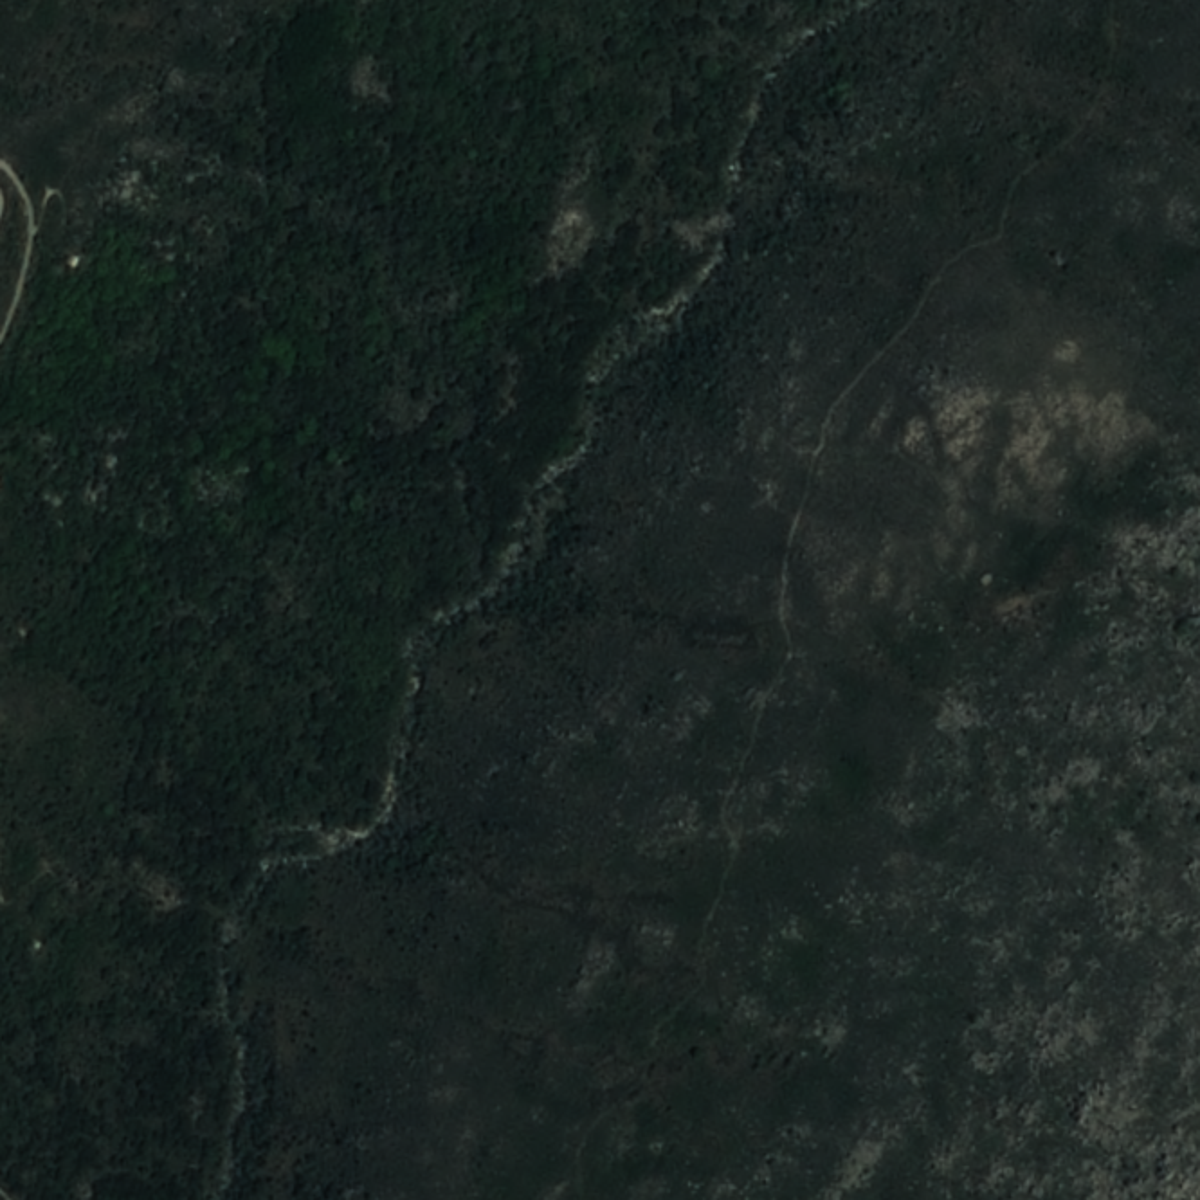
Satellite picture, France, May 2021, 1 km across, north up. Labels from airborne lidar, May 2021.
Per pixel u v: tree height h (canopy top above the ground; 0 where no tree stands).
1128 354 0
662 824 0
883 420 0
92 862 6
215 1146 9
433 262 8
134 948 12
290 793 10
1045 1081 0
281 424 14
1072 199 0
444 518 13
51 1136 8
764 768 0
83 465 8
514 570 9
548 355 11
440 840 7
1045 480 0
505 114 7
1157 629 0
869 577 0
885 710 0
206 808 7
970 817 0
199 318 8
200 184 12
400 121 15
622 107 8
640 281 6
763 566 0
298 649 8
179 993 9
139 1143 8
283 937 11
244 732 6
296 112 18
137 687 7
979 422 0
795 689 0
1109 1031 0
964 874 0
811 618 0
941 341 0
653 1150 0
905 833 0
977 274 0
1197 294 0
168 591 6
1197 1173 0
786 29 13
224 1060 15
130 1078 8
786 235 7
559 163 7
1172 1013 0
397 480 13
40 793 6
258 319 6
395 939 6
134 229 6
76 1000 8
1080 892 0
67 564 7
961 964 0
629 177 12
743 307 9
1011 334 0
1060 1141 0
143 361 10
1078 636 0
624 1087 0
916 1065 0
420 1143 0
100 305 11
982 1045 0
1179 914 0
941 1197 0
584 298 12
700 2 7
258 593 8
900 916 0
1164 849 0
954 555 0
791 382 0
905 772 0
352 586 10
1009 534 0
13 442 6
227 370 9
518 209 10
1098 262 0
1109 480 0
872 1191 0
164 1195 10
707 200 8
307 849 9
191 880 11
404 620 9
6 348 8
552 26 6
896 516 0
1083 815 0
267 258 10
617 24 11
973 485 0
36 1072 11
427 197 7
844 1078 0
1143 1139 0
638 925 0
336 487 8
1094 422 0
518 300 12
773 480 0
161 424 9
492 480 10
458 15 16
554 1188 0
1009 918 0
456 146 7
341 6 12
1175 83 0
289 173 17
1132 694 0
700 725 0
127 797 9
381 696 10
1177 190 0
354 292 6
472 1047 0
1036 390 0
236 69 7
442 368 8
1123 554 0
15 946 6
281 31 13
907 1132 0
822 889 0
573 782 0
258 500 12
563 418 14
